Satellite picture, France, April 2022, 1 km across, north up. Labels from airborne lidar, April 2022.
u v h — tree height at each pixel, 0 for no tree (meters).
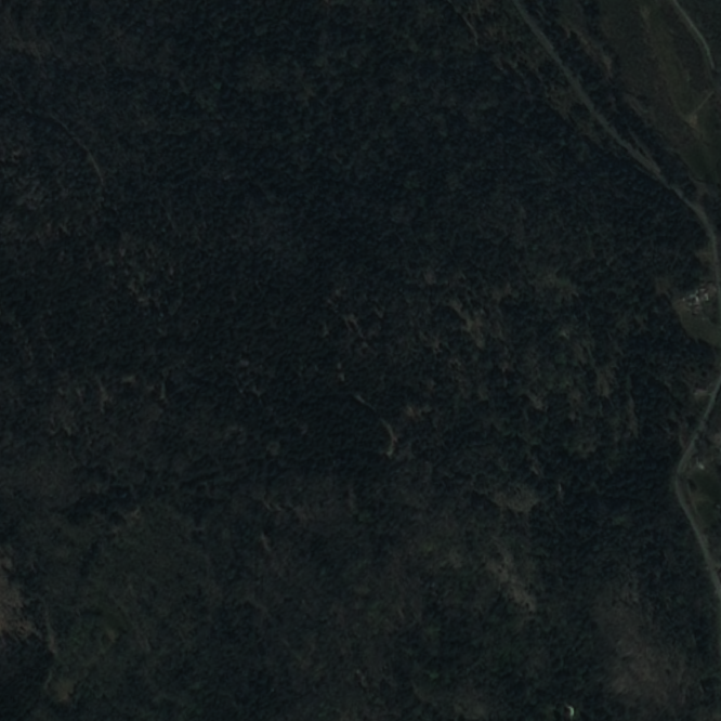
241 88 26
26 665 21
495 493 8
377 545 23
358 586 19
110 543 24
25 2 25
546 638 27
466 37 30
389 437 19
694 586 34
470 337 19
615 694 17
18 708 25
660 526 29
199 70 23
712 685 24
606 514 31
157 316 31
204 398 23
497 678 34
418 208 27
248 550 29
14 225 26
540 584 32
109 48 28
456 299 23
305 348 25
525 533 36
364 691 32
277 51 28
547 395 18
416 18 21
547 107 33
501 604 30
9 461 37
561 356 25
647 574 19
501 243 18
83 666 7
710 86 5
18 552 28
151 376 27
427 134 24
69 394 31
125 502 33
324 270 26
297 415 18
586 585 22
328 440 23
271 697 36
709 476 0
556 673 35
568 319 30
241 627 25
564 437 41
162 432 26
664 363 17
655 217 33
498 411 33
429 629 29
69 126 22
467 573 22
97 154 23
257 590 32
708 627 27
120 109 27
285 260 23
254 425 26
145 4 28
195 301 27
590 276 25
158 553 9
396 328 27
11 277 26
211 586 28
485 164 24
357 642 30
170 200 31
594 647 21
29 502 20
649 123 17
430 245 12
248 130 23
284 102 17
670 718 20
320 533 22
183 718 32
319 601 25
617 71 16
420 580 34
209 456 24
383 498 16
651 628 13
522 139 34
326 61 28
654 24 0
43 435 39
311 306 24
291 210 23
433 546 25
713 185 21
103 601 8
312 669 31
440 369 36
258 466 21
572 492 28
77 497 31
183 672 24
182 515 24
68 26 26
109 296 31
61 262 30
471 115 30
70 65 27
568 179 35
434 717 28
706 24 18
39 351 30
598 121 8
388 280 19
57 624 21
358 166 26
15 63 27
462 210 24
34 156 25
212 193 28
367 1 23
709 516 0
